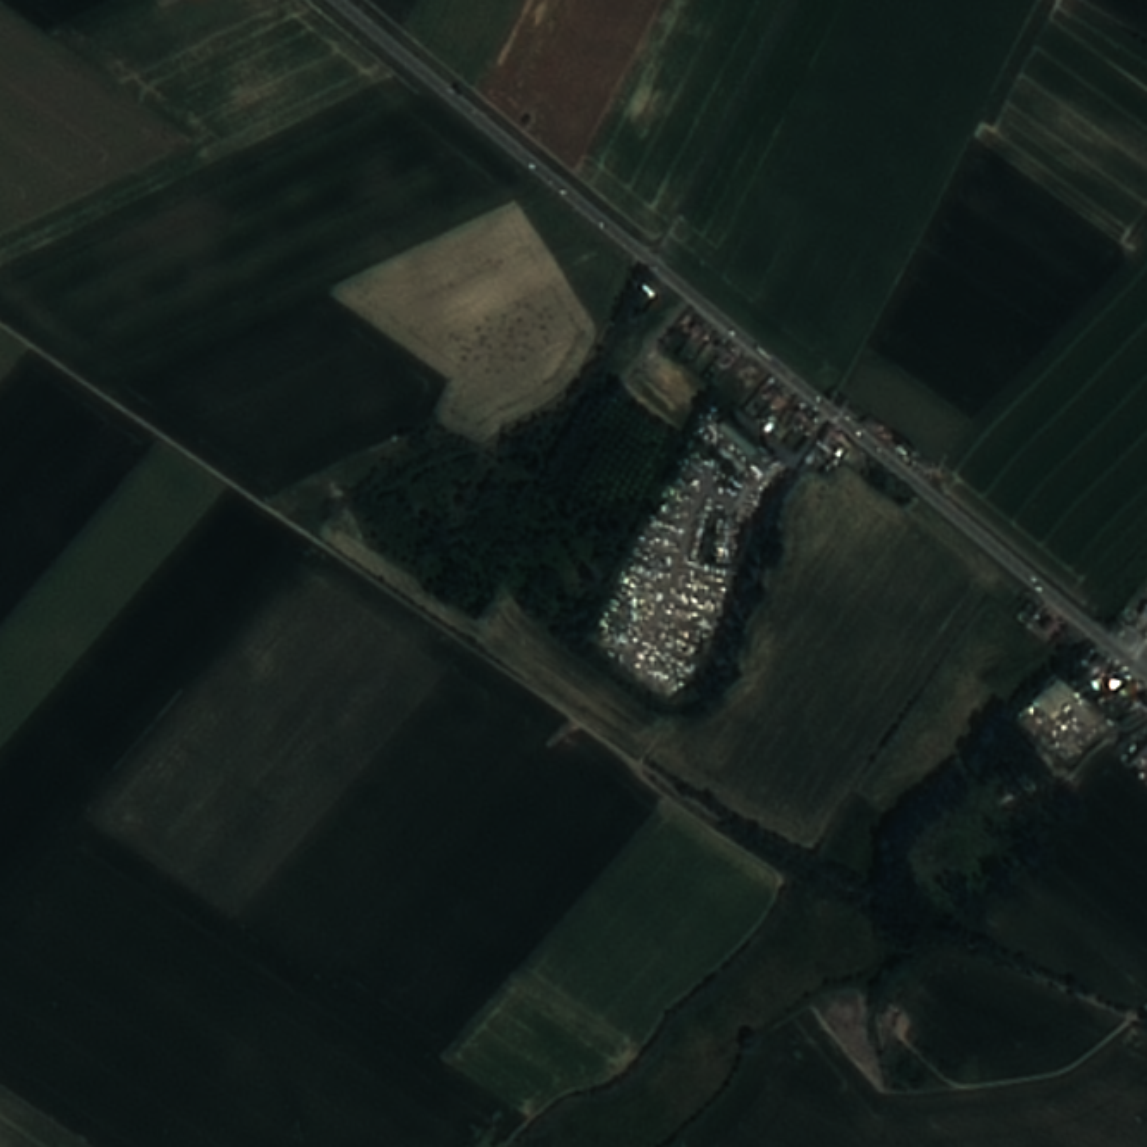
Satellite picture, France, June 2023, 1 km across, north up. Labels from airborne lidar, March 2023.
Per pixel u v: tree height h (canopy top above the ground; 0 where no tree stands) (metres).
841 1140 0
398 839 0
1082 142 0
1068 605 0
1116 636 0
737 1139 0
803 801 0
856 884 7
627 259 0
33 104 0
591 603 10
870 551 0
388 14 0
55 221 0
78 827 0
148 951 0
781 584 0
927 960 0
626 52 0
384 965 0
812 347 0
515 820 0
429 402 0
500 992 0
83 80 0
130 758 0
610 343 0
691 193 0
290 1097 0
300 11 0
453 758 0
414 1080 0
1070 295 0
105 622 0
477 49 0
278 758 0
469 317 0
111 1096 0
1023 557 0
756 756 0
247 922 0
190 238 0
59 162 0
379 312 0
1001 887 32
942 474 0
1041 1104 0
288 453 0
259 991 0
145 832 0
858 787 0
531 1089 0
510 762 0
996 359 0
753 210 0
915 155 0
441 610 0
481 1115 0
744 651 0
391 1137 0
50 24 0
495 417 0
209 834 0
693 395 0
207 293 0
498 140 0
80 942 0
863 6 0
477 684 0
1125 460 0
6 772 0
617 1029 0
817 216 0
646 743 0
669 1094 0
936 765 0
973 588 0
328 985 0
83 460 0
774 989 0
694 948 0
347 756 0
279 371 0
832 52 0
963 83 0
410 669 0
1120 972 0
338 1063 0
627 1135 0
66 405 0
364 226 0
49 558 0
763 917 0
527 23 0
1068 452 0
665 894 0
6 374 0
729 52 0
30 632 0
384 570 0
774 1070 0
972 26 0
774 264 0
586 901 0
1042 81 0
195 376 0
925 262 0
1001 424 0
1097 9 0
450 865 0
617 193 0
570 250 0
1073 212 0
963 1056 0
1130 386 0
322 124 0
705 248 0
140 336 0
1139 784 0
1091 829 0
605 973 0
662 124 0
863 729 0
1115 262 0
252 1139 0
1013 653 0
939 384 0
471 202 0
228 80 0
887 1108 0
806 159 0
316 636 0
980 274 0
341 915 0
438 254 0
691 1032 0
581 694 0
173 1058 0
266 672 0
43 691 0
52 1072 0
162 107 0
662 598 0
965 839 0
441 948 0
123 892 0
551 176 0
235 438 0
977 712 0
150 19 0
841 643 0
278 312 0
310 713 0
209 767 0
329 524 0
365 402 0
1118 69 0
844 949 0
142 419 0
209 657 0
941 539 0
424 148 0
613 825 0
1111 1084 0
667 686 0
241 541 0
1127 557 0
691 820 0
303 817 0
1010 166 0
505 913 0
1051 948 0
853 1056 0
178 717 0
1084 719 0
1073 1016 0
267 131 0
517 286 0
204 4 0
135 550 0
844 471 0
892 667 0
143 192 0
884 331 0
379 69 0
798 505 0
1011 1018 0
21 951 0
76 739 0
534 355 0
